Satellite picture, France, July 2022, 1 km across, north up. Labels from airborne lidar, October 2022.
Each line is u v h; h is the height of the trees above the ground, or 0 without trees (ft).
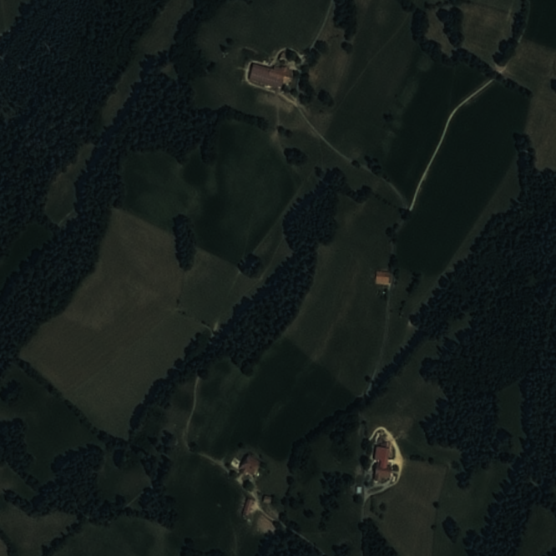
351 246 0
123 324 0
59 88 58
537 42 0
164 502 73
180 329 0
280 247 0
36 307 99
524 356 54
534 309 34
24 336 59
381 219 0
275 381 0
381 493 0
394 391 0
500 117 0
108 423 0
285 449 0
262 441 0
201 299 0
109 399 0
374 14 0
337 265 0
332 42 0
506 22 0
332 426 79
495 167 0
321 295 0
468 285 51
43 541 0
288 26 0
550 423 52
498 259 47
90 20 57
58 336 0
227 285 0
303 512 0
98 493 67
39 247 0
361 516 0
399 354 0
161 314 0
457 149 0
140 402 0
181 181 0
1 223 72
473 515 0
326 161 0
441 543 0
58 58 75
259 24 0
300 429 0
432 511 0
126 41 30
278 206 0
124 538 0
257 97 0
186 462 0
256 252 0
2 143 85
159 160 0
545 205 50
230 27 0
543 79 0
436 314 54
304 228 88
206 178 0
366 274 0
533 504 78
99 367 0
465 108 0
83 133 132
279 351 0
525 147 85
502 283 43
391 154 0
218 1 31
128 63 53
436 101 0
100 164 101
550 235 113
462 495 0
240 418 0
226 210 0
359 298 0
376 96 0
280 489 0
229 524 0
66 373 0
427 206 0
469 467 77
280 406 0
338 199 52
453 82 0
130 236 0
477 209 0
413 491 0
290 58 65
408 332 0
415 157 0
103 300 0
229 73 0
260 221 0
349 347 0
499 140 0
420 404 0
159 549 0
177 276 0
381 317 0
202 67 31
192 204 0
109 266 0
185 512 0
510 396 0
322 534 0
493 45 0
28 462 103
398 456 0
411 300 0
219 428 0
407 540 0
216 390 0
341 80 0
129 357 0
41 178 83
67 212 0
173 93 121
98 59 31
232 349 60
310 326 0
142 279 0
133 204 0
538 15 0
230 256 0
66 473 95
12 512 0
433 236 0
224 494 0
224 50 71
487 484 0
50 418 0
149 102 73
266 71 0
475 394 43
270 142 0
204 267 0
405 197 0
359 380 0
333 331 0
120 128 95
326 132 0
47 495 82
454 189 0
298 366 0
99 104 73
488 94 0
